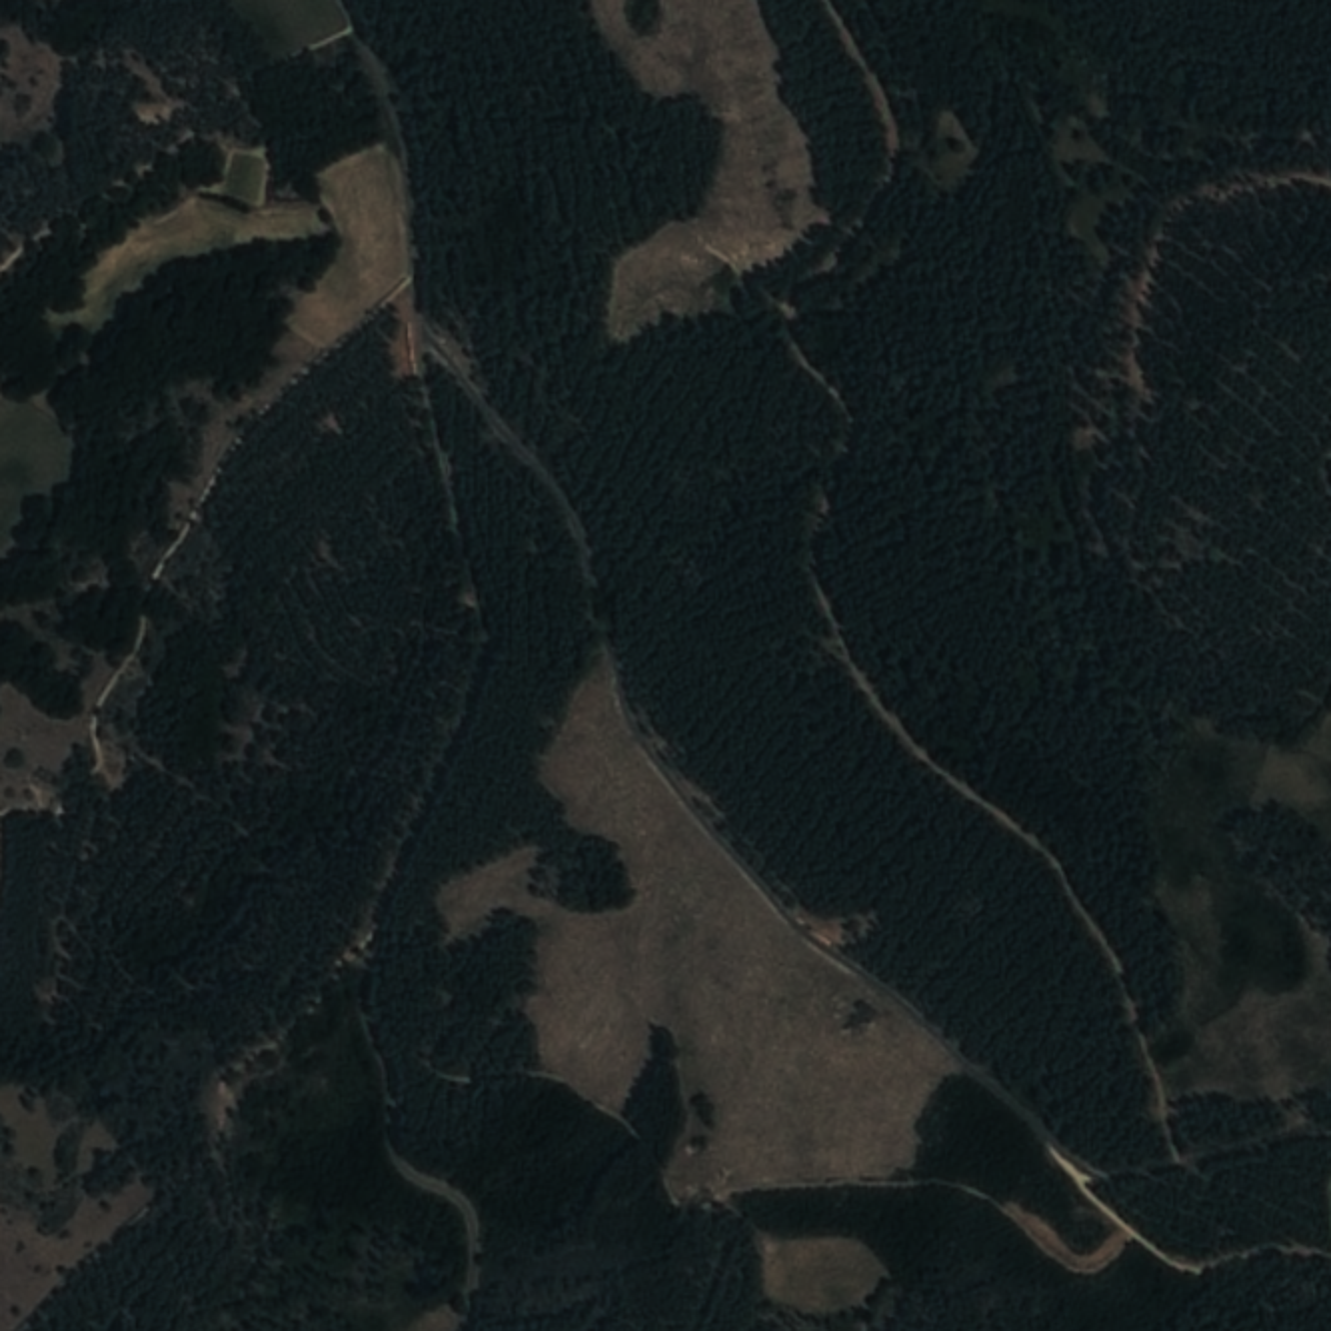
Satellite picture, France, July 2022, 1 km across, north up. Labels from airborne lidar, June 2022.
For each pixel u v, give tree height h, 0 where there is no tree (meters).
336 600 14
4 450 0
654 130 13
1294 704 24
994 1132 12
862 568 22
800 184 0
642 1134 18
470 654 26
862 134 21
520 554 19
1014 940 21
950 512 21
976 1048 17
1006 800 21
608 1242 6
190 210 0
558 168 22
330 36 0
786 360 23
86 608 13
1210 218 18
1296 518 16
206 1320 16
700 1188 0
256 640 21
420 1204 9
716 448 12
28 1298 0
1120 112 10
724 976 0
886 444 30
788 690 19
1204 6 19
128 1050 14
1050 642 13
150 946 6
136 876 19
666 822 0
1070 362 18
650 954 0
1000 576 22
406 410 17
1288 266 9
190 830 18
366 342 15
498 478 16
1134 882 15
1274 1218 15
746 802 19
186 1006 20
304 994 21
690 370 24
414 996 24
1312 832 10
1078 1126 21
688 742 22
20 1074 16
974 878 20
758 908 0
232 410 0
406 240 0
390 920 18
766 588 25
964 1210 6
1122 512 25
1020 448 22
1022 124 23
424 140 21
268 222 0
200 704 17
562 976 0
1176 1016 30
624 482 15
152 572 0
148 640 10
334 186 0
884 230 17
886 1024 0
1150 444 24
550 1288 11
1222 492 16
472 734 17
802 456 23
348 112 11
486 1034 17
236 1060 17
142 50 16
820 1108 0
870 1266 0
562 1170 8
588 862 23
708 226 0
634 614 18
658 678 17
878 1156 0
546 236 20
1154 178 22
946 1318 17
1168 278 15
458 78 22
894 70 18
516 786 18
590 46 17
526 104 20
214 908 10
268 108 12
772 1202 6
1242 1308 15
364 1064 8
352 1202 10
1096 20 26
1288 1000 0
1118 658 29
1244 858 0
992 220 17
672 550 22
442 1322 0
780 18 23
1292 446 16
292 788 17
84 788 18
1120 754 28
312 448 17
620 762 0
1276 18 19
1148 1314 5
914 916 21
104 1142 0
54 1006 12
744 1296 18
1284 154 27
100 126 17
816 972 0
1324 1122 18
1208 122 16
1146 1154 18
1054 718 21
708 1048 0
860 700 27
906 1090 0
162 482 10
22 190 16
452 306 13
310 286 17
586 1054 0
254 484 17
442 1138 21
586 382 17
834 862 23
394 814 25
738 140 0
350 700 19
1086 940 20
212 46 16
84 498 21
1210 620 13
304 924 24
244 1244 6
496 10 17
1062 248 20
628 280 0
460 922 0
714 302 0
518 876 0
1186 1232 12
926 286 24
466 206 24
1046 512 20
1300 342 20
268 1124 8
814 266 21
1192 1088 0
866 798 22
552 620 20
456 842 18
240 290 19
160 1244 16
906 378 27
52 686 16
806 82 23
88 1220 0
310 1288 29
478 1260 10
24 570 20
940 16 21
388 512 19
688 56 0
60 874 18
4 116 0
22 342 23
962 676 13
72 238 17
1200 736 0
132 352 22
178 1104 9
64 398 20
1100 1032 23
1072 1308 8
